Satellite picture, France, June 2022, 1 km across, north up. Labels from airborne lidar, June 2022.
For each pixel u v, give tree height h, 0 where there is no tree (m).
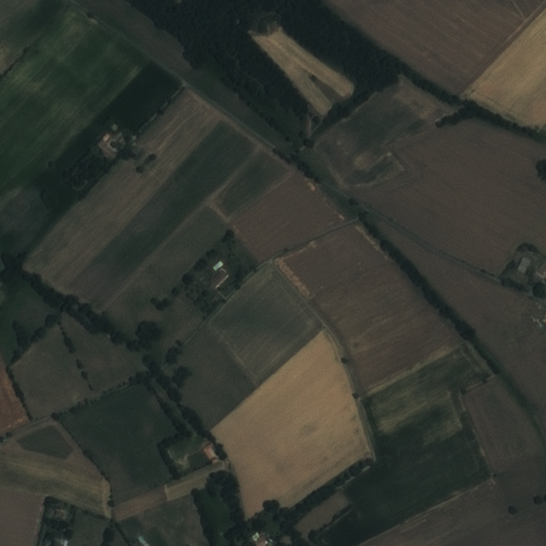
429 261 0
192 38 24
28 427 0
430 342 0
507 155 0
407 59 0
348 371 0
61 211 0
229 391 0
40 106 0
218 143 0
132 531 0
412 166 0
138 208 0
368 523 0
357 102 15
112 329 20
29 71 0
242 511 12
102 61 0
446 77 0
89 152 9
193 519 0
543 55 0
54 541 10
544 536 0
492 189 0
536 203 0
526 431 0
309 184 0
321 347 0
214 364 0
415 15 0
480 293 0
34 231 0
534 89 0
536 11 0
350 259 0
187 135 0
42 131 0
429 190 0
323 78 0
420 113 0
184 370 18
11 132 0
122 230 0
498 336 0
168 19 26
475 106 16
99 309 0
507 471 0
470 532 0
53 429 0
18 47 0
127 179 0
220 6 16
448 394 0
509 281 13
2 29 0
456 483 0
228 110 0
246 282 0
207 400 0
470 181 0
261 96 11
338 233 0
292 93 13
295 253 0
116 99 0
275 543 9
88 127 0
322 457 0
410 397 0
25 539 0
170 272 0
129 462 0
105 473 8
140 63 0
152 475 0
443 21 0
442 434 0
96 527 0
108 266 0
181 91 6
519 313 0
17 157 0
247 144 0
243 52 20
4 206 0
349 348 0
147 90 0
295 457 0
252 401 0
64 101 0
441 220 0
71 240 0
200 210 0
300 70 0
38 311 0
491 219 0
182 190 0
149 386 10
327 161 0
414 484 0
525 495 0
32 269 0
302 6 29
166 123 0
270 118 8
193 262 0
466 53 0
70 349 10
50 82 0
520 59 0
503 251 0
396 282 0
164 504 0
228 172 0
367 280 0
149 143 0
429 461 0
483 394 0
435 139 0
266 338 0
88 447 0
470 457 0
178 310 0
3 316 0
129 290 0
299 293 0
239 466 0
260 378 0
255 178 0
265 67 13
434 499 0
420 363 0
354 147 0
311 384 0
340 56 19
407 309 0
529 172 0
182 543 0
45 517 9
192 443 0
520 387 0
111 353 0
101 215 0
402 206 0
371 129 0
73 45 0
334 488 10
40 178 0
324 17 34
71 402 0
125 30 0
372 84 16
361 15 0
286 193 0
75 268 0
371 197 0
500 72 0
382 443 0
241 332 0
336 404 0
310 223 0
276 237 0
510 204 0
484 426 0
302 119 7
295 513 17
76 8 0
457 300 0
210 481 20
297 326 0
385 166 0
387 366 0
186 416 21
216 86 0
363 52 26
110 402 0
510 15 0
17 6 0
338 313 0
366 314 0
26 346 19
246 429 0
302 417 0
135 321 0
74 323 0
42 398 0
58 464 0
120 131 8
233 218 0
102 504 0
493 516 0
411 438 0
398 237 0
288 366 0
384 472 0
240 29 12
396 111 0
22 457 0
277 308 0
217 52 16
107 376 0
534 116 0
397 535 0
